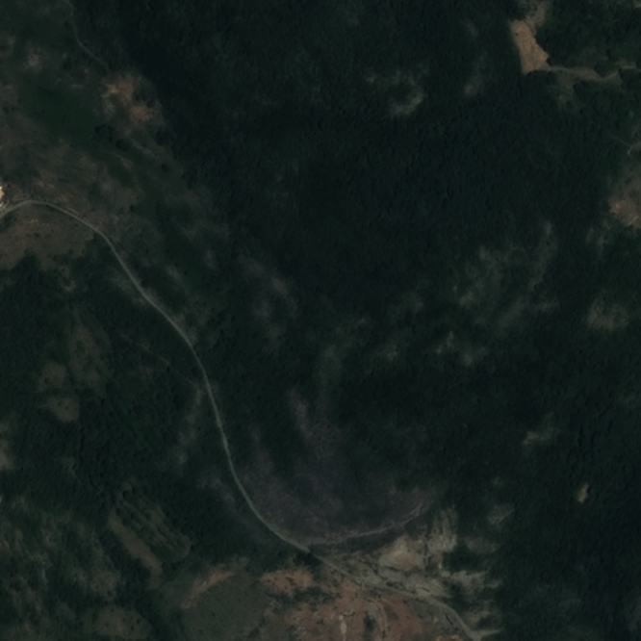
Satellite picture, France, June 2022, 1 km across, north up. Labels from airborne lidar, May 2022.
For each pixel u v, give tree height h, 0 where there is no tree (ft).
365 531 0
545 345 46
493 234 31
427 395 67
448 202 57
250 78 40
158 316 23
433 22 53
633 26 45
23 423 22
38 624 29
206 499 20
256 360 26
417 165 62
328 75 40
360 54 41
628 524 35
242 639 0
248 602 0
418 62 24
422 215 32
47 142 0
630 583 38
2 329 21
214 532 20
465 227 31
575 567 45
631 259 26
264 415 32
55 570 21
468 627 0
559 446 39
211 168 48
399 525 0
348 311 38
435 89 52
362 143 47
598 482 34
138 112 0
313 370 19
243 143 57
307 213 55
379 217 53
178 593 0
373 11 37
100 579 0
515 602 19
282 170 37
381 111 58
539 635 20
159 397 33
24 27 0
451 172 60
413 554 0
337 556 0
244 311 20
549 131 38
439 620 0
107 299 27
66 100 0
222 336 24
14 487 38
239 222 31
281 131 86
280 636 0
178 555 0
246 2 73
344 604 0
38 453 42
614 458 27
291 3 61
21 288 26
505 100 26
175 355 25
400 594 0
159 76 50
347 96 35
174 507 39
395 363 38
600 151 31
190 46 77
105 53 28
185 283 0
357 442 23
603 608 52
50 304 21
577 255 32
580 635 0
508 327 21
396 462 35
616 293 21
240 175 35
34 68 0
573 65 35
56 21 0
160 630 66
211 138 51
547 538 44
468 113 53
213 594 0
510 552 21
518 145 52
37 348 23
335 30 32
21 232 0
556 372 42
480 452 47
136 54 55
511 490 26
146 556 0
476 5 33
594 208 24
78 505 31
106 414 30
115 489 33
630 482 36
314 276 54
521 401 47
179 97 59
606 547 42
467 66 37
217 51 52
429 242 43
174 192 0
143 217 0
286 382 22
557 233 22
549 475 30
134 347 21
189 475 19
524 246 21
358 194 46
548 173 37
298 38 42
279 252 46
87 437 44
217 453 23
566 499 52
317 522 0
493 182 51
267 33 70
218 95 62
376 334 38
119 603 34
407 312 18
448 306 41
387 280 44
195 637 0
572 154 54
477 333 36
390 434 19
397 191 63
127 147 53
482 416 62
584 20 27
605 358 49
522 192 41
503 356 32
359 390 48
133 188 0
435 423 42
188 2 65
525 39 0
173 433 22
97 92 0
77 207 0
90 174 0
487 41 22
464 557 30
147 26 76
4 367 32
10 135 0
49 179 0
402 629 0
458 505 21
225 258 19
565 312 29
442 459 30
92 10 35
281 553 28
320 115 74
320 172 74
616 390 22
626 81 26
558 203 49
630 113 37
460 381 55
